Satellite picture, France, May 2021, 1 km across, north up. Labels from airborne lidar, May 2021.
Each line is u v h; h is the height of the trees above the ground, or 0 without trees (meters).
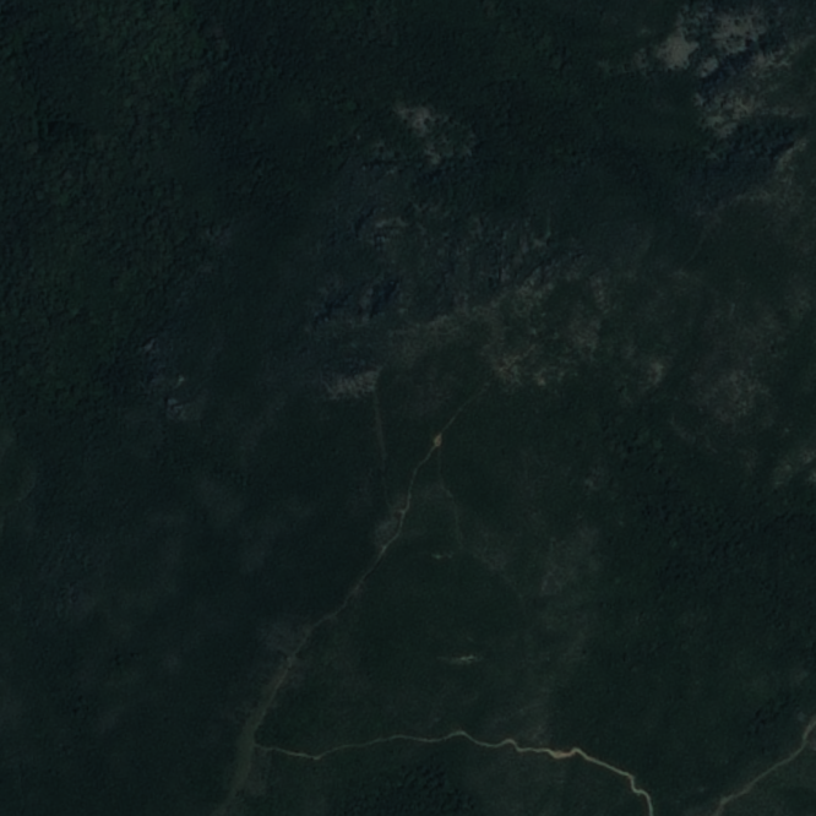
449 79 10
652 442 11
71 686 5
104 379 11
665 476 11
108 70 8
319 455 6
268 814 6
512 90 15
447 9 7
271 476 6
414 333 0
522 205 6
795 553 7
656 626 7
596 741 8
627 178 12
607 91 7
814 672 11
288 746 6
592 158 9
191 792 5
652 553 6
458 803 11
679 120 6
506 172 11
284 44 13
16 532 6
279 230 6
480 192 11
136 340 11
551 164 10
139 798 6
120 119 12
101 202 13
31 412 6
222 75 11
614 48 6
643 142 6
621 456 10
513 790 0
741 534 5
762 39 8
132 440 6
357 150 8
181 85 8
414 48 7
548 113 14
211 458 6
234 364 6
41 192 13
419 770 14
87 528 5
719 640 7
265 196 7
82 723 6
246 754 0
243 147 11
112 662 9
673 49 0
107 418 9
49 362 12
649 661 7
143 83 12
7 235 11
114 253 11
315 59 13
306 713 6
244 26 13
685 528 8
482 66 6
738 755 6
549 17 7
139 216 7
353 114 9
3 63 10
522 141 14
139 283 10
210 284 7
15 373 10
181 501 6
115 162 12
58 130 18
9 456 6
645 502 6
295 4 10
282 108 6
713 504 7
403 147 8
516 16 8
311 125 7
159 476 6
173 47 7
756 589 7
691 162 6
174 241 14
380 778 7
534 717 0
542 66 9
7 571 6
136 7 14
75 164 9
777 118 6
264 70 9
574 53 7
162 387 6
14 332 6
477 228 6
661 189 7
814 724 0
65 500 6
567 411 6
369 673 7
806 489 7
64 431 7
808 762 0
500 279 6
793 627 10
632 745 5
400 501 0
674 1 8
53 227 7
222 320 6
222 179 7
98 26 12
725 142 10
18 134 7
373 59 15
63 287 10
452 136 7
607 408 5
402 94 13
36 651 7
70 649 6
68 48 9
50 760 6
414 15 6
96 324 7
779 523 11
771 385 5
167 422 5
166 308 8
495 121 16
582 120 6
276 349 6
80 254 8
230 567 5
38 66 10
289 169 8
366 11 7
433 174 8
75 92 7
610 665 8
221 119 7
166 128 11
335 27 8
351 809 9
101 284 9
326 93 7
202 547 6
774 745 6
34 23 7
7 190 8
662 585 11
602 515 6
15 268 10
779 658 7
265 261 6
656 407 7
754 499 7
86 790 6
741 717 6
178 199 7
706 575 9
